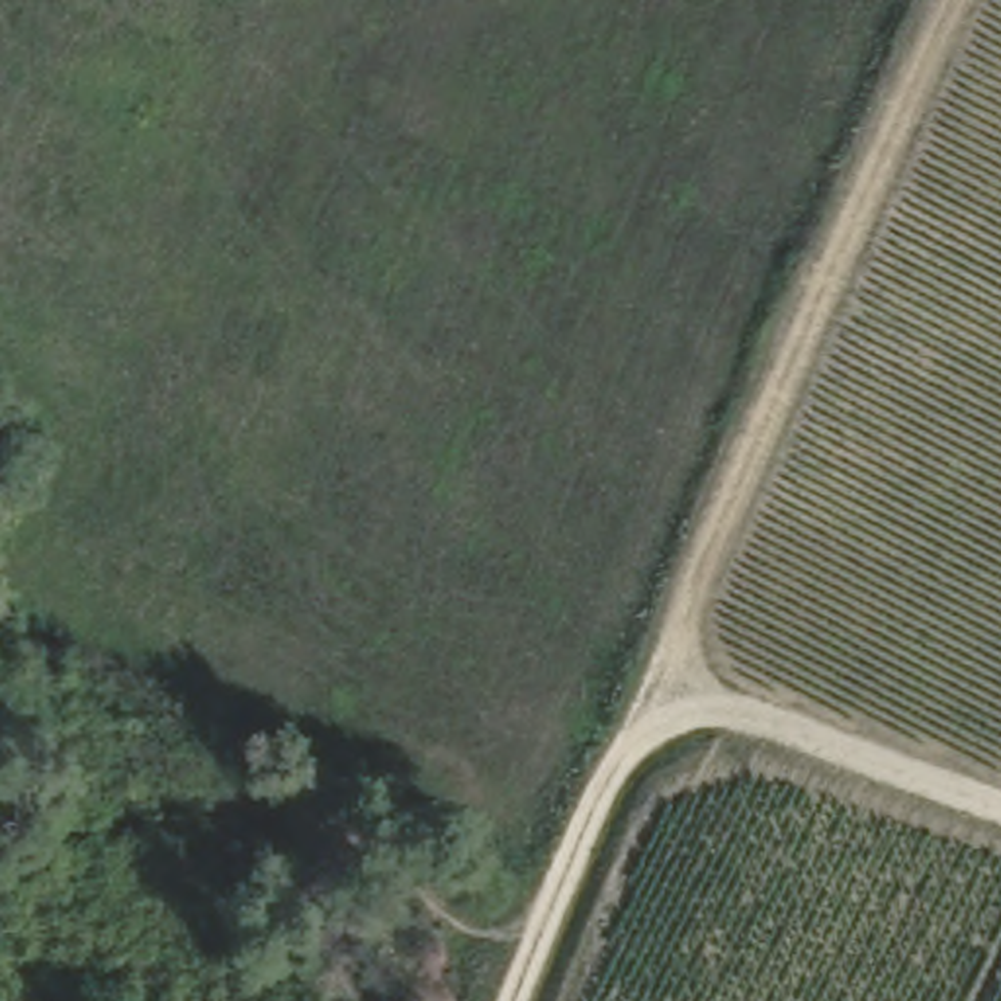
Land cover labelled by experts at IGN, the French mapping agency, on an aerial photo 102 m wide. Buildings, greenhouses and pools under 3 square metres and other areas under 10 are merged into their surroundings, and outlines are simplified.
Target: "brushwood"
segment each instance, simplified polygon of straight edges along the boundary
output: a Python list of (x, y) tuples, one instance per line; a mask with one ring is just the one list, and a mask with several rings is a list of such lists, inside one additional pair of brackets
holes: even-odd
[(278, 708), (274, 696), (219, 680), (192, 645), (125, 657), (109, 645), (94, 649), (43, 618), (31, 618), (27, 630), (12, 630), (4, 618), (0, 618), (0, 700), (20, 716), (35, 716), (43, 739), (59, 755), (55, 762), (82, 766), (86, 786), (86, 794), (74, 798), (82, 817), (74, 833), (43, 845), (23, 837), (0, 860), (0, 1001), (497, 1001), (508, 962), (520, 946), (524, 915), (540, 888), (528, 876), (512, 880), (501, 868), (493, 821), (481, 805), (442, 802), (418, 790), (418, 766), (399, 743), (348, 731), (321, 716), (285, 716), (285, 708)]

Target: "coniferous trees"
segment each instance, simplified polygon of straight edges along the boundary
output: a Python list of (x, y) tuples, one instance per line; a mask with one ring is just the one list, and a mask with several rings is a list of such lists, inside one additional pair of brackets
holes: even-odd
[(35, 395), (0, 379), (0, 618), (4, 618), (12, 602), (12, 575), (4, 567), (4, 551), (12, 532), (27, 520), (27, 512), (39, 512), (51, 497), (51, 481), (59, 473), (59, 442), (39, 418)]
[(74, 798), (86, 794), (86, 786), (82, 766), (55, 762), (59, 755), (43, 739), (35, 716), (20, 716), (0, 700), (0, 860), (23, 837), (43, 845), (74, 833), (82, 817)]

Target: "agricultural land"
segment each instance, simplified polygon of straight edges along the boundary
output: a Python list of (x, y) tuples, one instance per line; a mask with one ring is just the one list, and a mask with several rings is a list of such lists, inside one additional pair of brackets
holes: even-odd
[(712, 501), (716, 477), (727, 461), (727, 446), (739, 434), (774, 364), (778, 336), (794, 317), (798, 297), (790, 293), (790, 285), (798, 282), (802, 262), (817, 258), (825, 227), (841, 207), (841, 196), (849, 192), (849, 180), (860, 160), (856, 129), (876, 109), (880, 82), (892, 82), (899, 70), (895, 43), (919, 0), (0, 0), (0, 379), (35, 395), (39, 418), (59, 442), (59, 473), (51, 481), (51, 497), (39, 512), (27, 512), (27, 520), (12, 532), (4, 551), (4, 567), (12, 575), (12, 602), (4, 618), (12, 630), (27, 630), (31, 618), (43, 618), (94, 649), (109, 645), (125, 657), (192, 645), (219, 680), (274, 696), (278, 708), (285, 708), (285, 716), (321, 716), (348, 731), (399, 743), (418, 766), (418, 790), (442, 802), (481, 805), (493, 821), (501, 868), (512, 880), (528, 876), (540, 888), (551, 852), (571, 821), (571, 809), (602, 751), (618, 735), (626, 708), (637, 692), (637, 680), (653, 657), (673, 598), (673, 579), (680, 571), (680, 555), (692, 544), (692, 532)]

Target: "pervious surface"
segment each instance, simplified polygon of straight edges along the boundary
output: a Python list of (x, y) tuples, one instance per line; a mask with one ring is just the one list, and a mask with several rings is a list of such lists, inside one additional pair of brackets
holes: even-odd
[(680, 571), (673, 579), (673, 598), (653, 657), (637, 680), (637, 692), (626, 708), (618, 735), (602, 751), (571, 809), (571, 821), (551, 852), (540, 888), (524, 915), (520, 946), (508, 962), (497, 1001), (532, 1001), (618, 790), (645, 755), (653, 755), (661, 743), (684, 731), (727, 727), (774, 739), (1001, 825), (1001, 790), (907, 759), (860, 735), (845, 735), (813, 716), (774, 708), (755, 696), (723, 692), (704, 669), (700, 653), (700, 610), (708, 606), (712, 579), (727, 551), (727, 540), (782, 430), (786, 407), (809, 368), (813, 344), (864, 242), (880, 192), (892, 180), (899, 149), (927, 102), (927, 90), (942, 66), (942, 55), (970, 0), (919, 0), (895, 43), (899, 70), (892, 82), (880, 82), (876, 109), (856, 129), (860, 160), (849, 180), (849, 192), (841, 196), (841, 207), (825, 227), (817, 258), (802, 262), (798, 282), (790, 285), (790, 293), (798, 297), (794, 317), (778, 336), (774, 364), (739, 434), (727, 446), (727, 461), (716, 477), (712, 501), (692, 532), (692, 544), (680, 555)]

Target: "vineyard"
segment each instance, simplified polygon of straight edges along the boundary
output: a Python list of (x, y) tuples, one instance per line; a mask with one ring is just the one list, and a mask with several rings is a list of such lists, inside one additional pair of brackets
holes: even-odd
[(927, 90), (927, 102), (899, 149), (892, 180), (880, 192), (864, 242), (813, 344), (809, 368), (786, 407), (782, 430), (727, 540), (727, 551), (712, 579), (708, 606), (700, 610), (700, 653), (704, 669), (723, 692), (755, 696), (774, 708), (813, 716), (845, 735), (860, 735), (907, 759), (1001, 790), (1001, 0), (970, 0), (942, 55), (942, 66)]
[(532, 1001), (1001, 1001), (1001, 825), (774, 739), (727, 727), (684, 731), (661, 743), (653, 755), (645, 755), (618, 790)]

